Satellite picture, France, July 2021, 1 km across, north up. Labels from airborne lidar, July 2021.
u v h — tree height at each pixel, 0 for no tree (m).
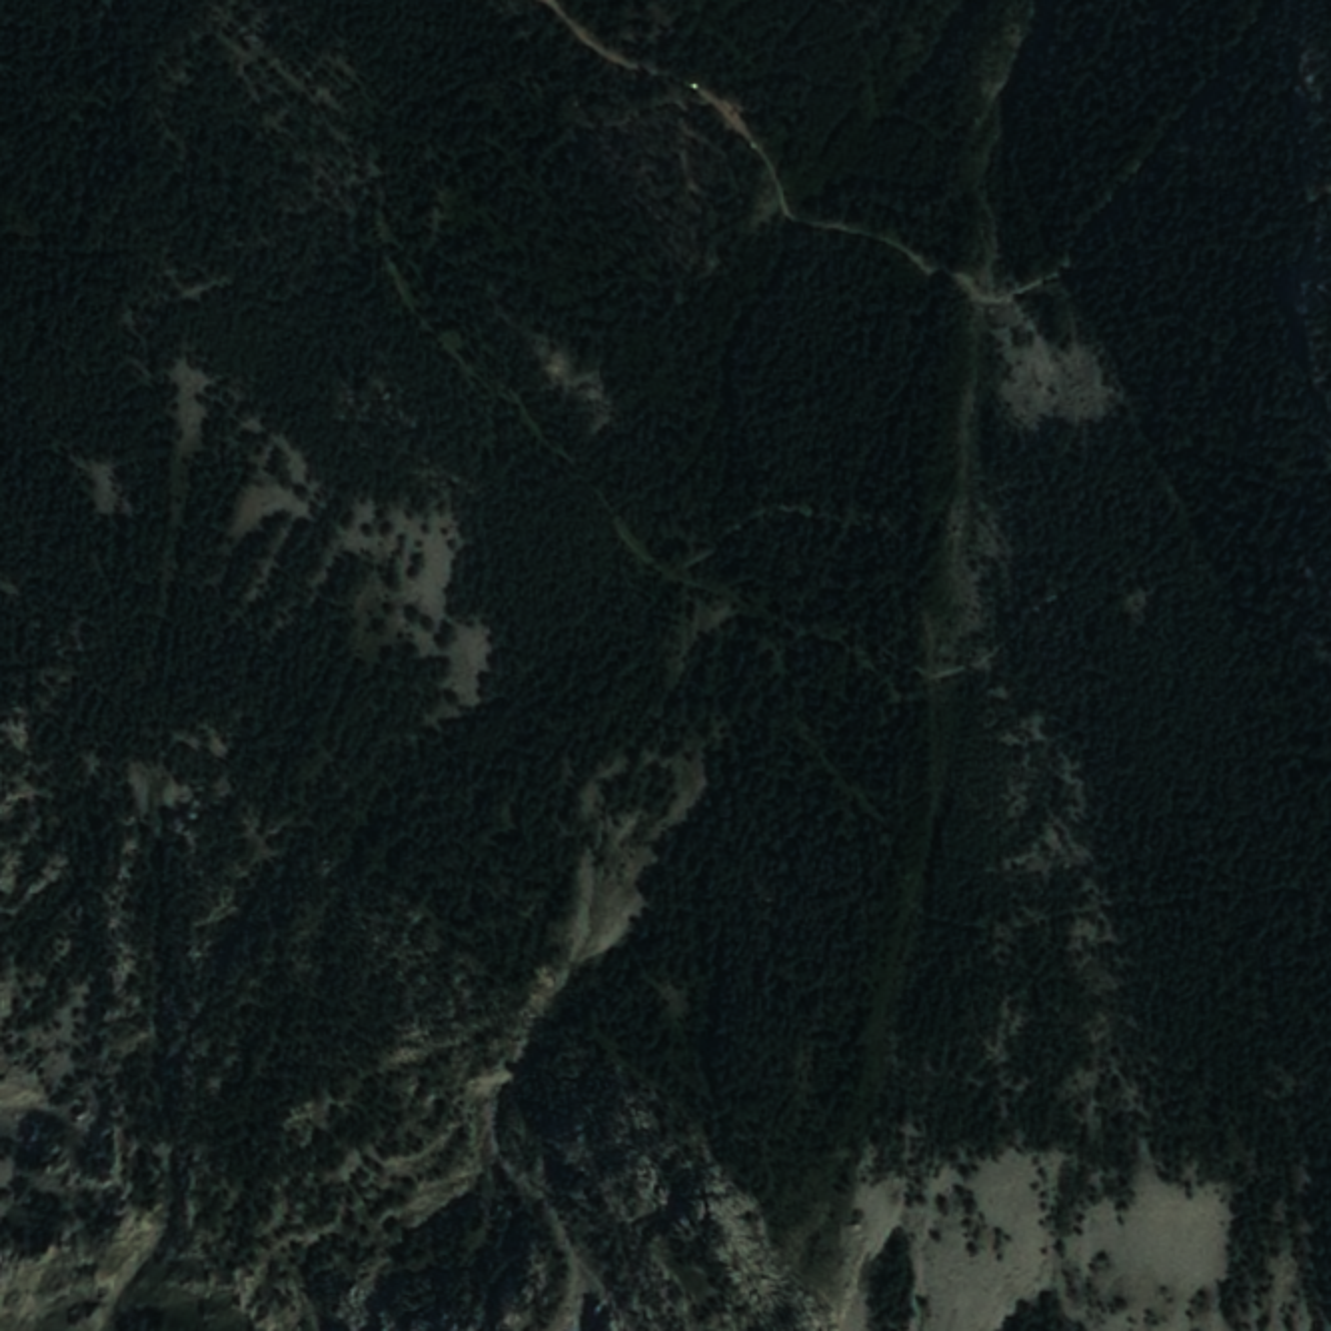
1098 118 10
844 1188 10
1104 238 20
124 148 12
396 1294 9
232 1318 0
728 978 22
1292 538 14
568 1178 10
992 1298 0
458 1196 0
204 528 14
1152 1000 18
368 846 25
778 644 23
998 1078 7
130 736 13
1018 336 9
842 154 18
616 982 15
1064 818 8
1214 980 8
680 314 27
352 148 12
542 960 7
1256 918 9
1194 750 16
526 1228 12
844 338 17
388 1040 10
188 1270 0
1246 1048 14
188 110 20
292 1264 10
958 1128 7
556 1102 19
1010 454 13
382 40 24
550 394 12
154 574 15
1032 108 13
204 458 9
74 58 7
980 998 15
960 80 17
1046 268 10
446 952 14
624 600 22
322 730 23
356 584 17
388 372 16
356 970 10
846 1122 13
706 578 10
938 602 8
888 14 19
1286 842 20
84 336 19
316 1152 10
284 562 17
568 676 24
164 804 0
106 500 0
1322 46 8
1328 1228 20
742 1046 25
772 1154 8
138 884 14
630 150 30
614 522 11
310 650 21
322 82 14
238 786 14
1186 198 11
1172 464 24
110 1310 0
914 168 17
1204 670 14
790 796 28
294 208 18
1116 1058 8
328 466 16
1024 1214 0
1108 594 11
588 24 20
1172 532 22
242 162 22
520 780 25
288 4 12
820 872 31
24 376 22
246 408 13
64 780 20
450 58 22
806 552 22
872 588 21
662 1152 10
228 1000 9
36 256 13
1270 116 23
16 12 22
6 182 20
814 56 18
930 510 25
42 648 14
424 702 13
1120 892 17
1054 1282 0
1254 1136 13
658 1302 8
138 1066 11
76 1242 0
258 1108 17
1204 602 12
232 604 18
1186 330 10
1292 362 28
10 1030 8
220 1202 12
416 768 21
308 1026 8
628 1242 6
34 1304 0
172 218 17
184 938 7
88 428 15
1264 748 20
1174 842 14
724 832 27
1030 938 9
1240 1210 12
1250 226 15
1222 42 22
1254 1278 9
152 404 15
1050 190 26
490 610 19
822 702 19
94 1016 10
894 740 23
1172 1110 13
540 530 15
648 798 7
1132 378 21
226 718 18
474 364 25
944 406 15
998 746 8
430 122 26
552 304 9
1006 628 6
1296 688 11
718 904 25
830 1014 15
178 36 13
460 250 23
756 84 20
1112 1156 7
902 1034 7
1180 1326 0
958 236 26
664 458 19
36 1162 9
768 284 14
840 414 22
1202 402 27
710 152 14
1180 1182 7
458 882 21
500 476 23
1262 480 17
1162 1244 0
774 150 10
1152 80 27
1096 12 7
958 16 7
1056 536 16
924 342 19
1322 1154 25
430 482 7
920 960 9
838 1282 0
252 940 13
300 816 10
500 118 15
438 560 0
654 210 22
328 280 18
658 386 12
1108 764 20
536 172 22
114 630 14
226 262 18
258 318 13
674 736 19
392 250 15
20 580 15
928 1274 0
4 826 11
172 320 16
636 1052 24
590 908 0
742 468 13
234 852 15
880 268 20
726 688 7
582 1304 0
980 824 8
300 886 12
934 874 13
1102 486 21
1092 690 15
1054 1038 6
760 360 22
